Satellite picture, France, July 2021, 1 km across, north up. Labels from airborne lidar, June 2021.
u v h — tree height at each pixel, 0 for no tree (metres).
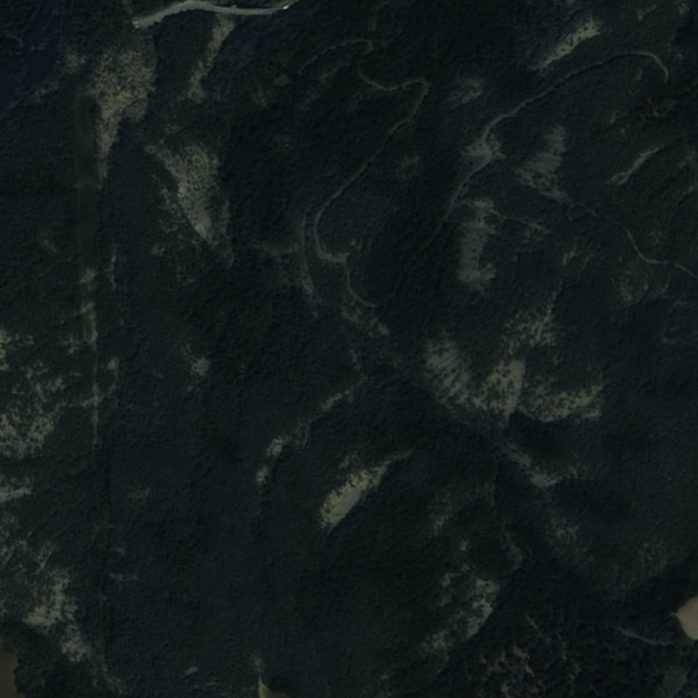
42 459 8
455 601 11
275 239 7
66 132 8
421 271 10
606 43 8
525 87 8
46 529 5
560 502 9
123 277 6
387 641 7
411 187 7
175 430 8
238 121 9
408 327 12
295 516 8
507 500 25
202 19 8
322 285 8
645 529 5
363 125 6
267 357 11
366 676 7
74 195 11
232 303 17
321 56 8
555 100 8
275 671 8
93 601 7
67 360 6
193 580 8
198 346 7
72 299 8
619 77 7
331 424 9
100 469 6
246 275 11
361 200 6
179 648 9
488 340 7
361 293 6
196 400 9
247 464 9
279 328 17
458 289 7
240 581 8
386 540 14
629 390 11
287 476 9
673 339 8
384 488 10
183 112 9
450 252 9
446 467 12
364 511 10
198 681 6
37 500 7
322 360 7
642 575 10
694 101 8
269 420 12
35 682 8
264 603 12
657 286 7
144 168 6
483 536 8
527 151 6
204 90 8
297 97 11
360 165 7
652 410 8
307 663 6
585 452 6
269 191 11
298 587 10
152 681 9
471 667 13
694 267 7
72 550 6
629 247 8
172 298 9
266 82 6
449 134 6
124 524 7
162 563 10
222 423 13
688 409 9
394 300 7
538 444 14
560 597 15
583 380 10
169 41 9
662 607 15
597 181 8
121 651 9
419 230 16
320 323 11
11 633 11
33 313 9
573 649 16
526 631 18
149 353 6
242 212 13
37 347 7
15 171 9
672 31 7
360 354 7
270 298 15
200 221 0
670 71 7
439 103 7
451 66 10
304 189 8
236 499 12
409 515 12
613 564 7
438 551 10
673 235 9
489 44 16
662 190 13
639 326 16
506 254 7
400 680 11
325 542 9
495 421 10
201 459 10
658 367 11
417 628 8
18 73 9
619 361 13
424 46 11
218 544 13
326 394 6
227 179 17
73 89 7
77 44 9
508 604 18
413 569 10
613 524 8
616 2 8
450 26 8
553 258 10
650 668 17
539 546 15
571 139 6
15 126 11
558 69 6
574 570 11
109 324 8
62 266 9
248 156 10
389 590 12
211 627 9
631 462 13
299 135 6
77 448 9
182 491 7
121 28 9
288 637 8
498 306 8
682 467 5
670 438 6
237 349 14
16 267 6
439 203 8
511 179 7
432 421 15
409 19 10
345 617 11
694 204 7
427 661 10
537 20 6
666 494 7
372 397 7
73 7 10
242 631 6
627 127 6
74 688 7
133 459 6
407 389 16
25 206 10
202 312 10
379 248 13
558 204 7
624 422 13
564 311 10
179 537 10
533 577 17
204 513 11
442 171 12
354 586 13
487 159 0
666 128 8
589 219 7
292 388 12
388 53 7
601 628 19
